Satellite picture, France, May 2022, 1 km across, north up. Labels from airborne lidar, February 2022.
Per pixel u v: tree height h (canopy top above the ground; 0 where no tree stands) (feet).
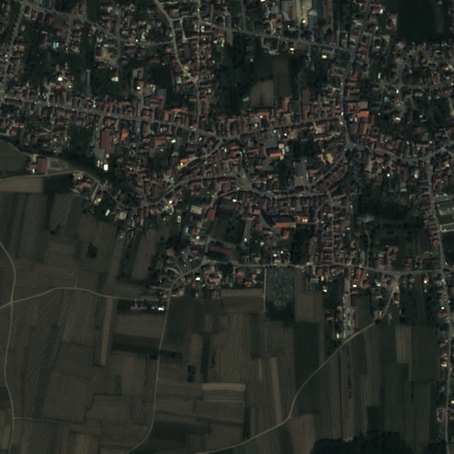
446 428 0
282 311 0
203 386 0
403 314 31
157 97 0
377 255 0
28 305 0
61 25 0
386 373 0
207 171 0
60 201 0
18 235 0
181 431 0
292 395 0
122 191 57
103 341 0
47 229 0
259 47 0
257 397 0
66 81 24
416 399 0
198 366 0
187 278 0
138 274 0
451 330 0
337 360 0
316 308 0
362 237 21
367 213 23
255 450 0
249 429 0
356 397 0
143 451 0
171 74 0
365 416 0
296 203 0
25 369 0
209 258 33
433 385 0
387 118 36
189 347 0
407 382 0
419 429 0
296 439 0
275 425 0
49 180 0
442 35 0
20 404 0
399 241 0
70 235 0
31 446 0
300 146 20
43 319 0
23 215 0
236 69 20
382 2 0
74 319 0
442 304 0
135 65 0
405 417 0
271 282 0
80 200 0
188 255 0
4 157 0
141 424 0
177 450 0
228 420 0
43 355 0
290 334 0
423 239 0
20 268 0
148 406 0
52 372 0
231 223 22
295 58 0
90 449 0
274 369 0
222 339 0
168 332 0
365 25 0
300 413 0
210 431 0
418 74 21
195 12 0
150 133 0
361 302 0
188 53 0
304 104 0
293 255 38
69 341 0
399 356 0
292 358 0
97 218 0
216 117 0
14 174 0
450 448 0
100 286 0
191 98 0
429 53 0
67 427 0
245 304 0
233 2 0
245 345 0
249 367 0
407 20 0
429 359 0
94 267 0
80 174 0
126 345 0
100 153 0
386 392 0
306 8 0
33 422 0
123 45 0
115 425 0
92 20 0
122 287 0
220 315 0
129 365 0
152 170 31
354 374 0
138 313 0
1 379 0
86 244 0
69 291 0
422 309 0
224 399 0
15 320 0
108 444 0
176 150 0
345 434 0
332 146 0
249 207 0
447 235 0
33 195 0
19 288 0
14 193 0
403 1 0
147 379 0
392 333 0
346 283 0
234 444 0
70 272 0
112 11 0
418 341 0
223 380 0
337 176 0
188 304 0
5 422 0
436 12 0
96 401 0
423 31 0
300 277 0
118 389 0
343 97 0
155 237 0
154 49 0
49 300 0
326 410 0
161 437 0
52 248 0
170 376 0
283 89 0
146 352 0
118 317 0
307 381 0
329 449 51
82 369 0
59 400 0
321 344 0
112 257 0
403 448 34
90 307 0
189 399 0
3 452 0
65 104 0
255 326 0
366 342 0
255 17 0
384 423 0
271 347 0
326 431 0
